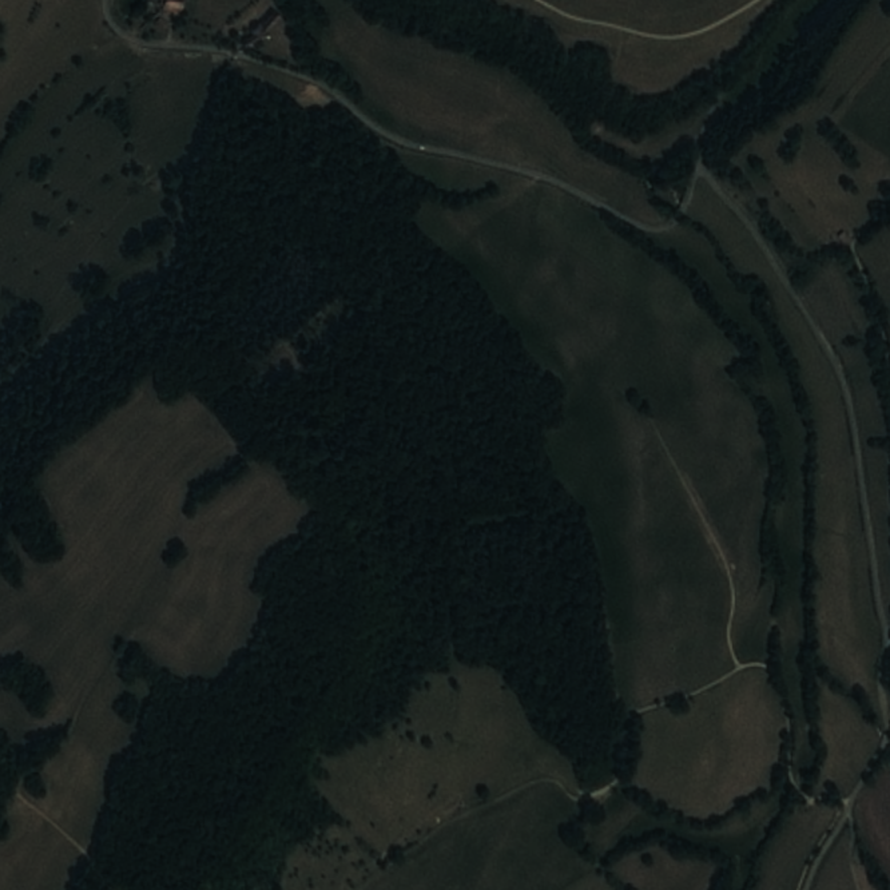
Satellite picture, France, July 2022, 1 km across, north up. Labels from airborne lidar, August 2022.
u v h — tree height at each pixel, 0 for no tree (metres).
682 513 0
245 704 18
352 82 8
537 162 0
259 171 21
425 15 26
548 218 0
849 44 0
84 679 0
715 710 0
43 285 0
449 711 0
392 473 25
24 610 0
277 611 16
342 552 18
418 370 24
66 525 0
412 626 12
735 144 19
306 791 16
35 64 0
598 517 0
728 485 0
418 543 23
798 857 0
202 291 25
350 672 19
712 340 0
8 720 0
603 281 0
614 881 8
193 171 24
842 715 0
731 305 0
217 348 35
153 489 0
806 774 15
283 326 29
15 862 0
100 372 19
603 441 0
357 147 27
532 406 24
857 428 0
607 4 0
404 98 0
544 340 0
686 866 0
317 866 0
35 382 26
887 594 0
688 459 0
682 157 21
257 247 23
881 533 0
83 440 0
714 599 0
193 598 0
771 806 0
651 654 0
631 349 0
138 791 22
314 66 15
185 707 18
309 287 28
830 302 0
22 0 0
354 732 23
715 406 0
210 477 17
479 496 13
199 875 15
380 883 0
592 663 24
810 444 10
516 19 19
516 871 0
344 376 22
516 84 0
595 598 14
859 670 0
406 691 15
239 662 16
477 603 25
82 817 0
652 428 0
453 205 17
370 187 22
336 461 24
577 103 20
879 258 0
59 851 0
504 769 0
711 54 0
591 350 0
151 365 11
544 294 0
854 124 0
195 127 0
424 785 0
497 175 0
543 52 19
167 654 0
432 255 21
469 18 20
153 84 0
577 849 7
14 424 21
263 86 24
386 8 23
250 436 19
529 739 0
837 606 0
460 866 0
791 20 0
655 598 0
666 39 0
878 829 0
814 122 0
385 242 20
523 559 26
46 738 18
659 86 0
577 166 0
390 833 0
